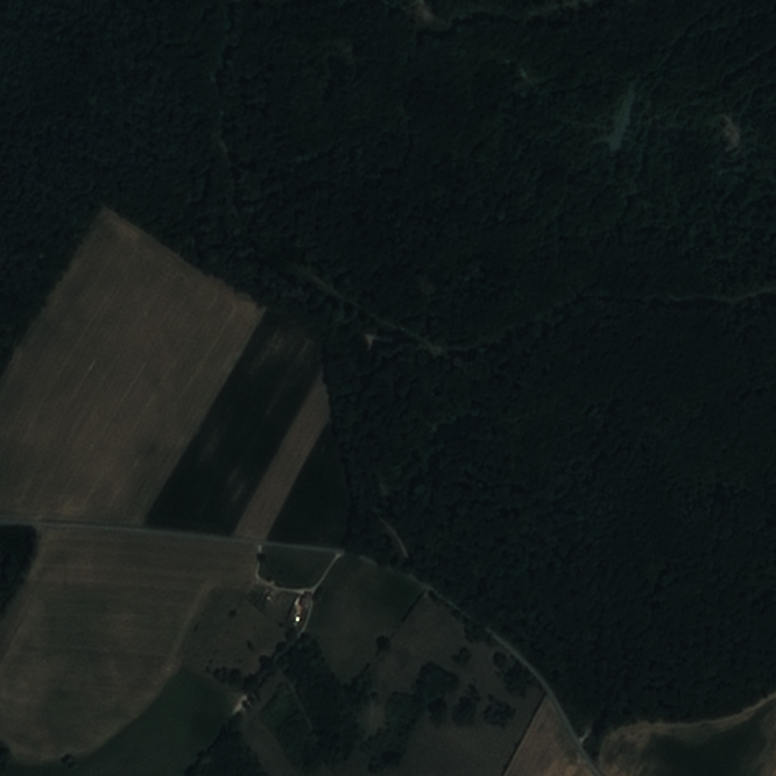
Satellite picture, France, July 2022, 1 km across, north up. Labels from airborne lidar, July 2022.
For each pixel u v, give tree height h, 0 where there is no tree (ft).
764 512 65
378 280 76
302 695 40
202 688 0
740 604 80
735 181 30
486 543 80
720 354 77
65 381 0
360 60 44
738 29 74
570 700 64
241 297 0
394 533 0
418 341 63
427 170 66
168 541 0
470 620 40
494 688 0
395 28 71
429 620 0
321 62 25
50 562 0
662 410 60
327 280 85
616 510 86
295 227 76
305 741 21
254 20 69
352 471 63
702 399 57
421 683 47
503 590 82
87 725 0
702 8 66
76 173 85
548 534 112
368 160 52
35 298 67
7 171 84
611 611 83
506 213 50
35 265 74
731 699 75
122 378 0
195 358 0
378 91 58
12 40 82
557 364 70
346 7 63
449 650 0
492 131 44
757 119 60
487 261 76
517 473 84
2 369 28
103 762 0
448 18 63
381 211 87
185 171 77
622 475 82
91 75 82
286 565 0
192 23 81
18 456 0
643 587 78
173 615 0
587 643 83
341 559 0
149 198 87
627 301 68
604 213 68
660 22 70
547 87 53
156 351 0
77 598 0
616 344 75
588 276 72
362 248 75
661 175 56
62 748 0
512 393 74
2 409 0
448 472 94
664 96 62
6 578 82
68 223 62
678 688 79
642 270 89
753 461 69
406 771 0
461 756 0
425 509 92
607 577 82
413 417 83
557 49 66
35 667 0
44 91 86
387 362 98
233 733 64
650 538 81
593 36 85
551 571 100
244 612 0
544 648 84
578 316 83
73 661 0
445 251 75
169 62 82
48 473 0
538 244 33
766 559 75
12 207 79
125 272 0
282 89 73
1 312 86
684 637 83
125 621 0
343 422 76
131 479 0
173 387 0
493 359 77
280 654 28
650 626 71
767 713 0
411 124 35
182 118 65
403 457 83
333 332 92
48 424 0
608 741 0
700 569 86
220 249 85
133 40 73
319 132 79
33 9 93
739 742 0
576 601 87
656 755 0
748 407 69
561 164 64
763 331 89
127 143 74
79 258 0
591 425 63
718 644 81
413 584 0
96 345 0
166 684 0
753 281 83
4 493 0
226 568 0
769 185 65
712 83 41
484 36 67
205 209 69
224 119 24
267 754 0
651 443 77
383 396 89
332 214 70
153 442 0
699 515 75
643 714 61
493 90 73
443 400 84
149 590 0
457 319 52
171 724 0
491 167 64
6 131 104
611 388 56
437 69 74
